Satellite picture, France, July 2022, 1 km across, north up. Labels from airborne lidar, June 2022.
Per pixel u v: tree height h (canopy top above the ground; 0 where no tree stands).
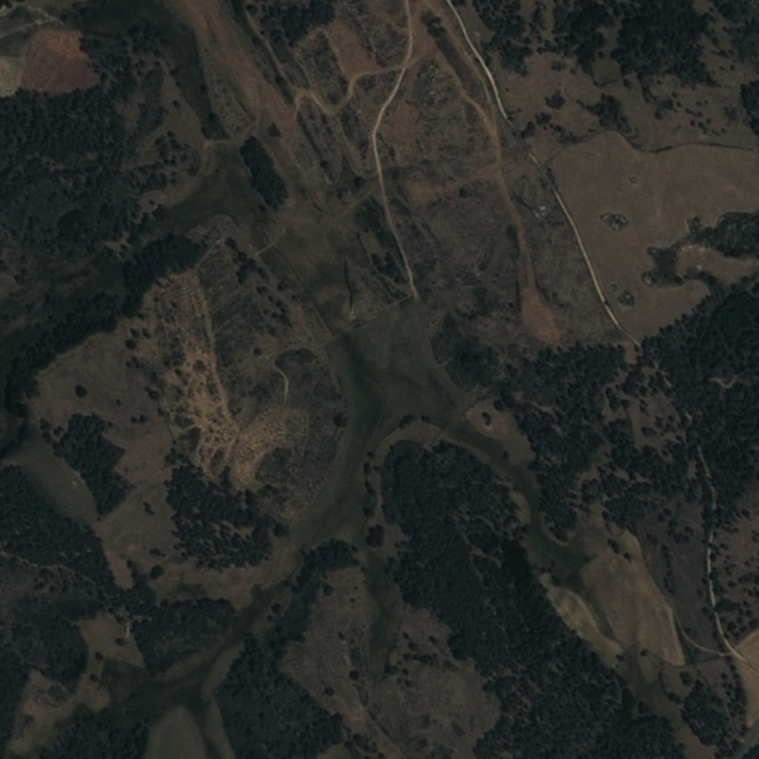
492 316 0
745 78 0
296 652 0
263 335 0
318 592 0
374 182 0
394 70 0
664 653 0
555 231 0
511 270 0
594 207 0
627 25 17
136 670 0
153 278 16
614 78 0
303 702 15
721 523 14
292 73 0
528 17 0
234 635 0
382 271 18
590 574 0
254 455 0
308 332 0
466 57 0
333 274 0
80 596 0
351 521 0
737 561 0
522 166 0
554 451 25
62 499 0
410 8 0
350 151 0
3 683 18
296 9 14
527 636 19
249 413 0
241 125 0
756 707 0
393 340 0
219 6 0
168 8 0
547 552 0
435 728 0
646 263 0
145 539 0
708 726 17
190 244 15
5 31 0
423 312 0
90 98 19
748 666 0
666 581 10
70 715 0
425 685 0
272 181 21
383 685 0
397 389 0
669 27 6
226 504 15
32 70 0
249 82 0
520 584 17
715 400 9
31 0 0
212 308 0
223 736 0
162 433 0
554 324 0
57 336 12
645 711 12
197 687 0
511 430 0
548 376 15
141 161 0
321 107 0
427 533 19
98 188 19
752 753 12
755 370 20
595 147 0
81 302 13
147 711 0
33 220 15
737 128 0
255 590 0
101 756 8
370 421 0
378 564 0
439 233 0
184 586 0
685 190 0
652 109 0
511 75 0
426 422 10
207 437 0
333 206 0
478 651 16
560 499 23
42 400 0
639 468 21
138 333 16
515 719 9
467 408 0
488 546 17
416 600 10
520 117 0
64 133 18
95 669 0
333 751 0
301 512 0
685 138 0
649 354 13
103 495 16
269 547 7
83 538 14
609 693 14
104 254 7
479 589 16
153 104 0
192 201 0
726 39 0
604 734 6
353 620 0
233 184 0
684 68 7
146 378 0
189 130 0
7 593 0
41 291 0
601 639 0
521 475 0
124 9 0
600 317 0
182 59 0
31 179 14
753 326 14
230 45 0
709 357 15
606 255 0
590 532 0
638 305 0
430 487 13
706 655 0
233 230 0
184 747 0
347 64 0
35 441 0
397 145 0
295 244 0
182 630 12
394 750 0
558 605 0
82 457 15
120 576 0
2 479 17
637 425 0
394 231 0
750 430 23
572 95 0
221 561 9
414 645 13
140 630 14
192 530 16
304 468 0
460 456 20
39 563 10
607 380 13
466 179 0
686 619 0
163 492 0
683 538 9
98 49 19
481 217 0
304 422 0
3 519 17
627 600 0
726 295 11
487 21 10
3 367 0
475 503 20
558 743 18
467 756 0
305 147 0
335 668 0
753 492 0
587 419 15
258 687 9
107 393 0
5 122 16
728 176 0
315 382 0
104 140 18
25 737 0
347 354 0
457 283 0
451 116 0
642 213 0
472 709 0
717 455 7
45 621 0
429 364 0
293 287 0
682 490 10
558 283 0
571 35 8
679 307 0
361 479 0
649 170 0
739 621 8
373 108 0
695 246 0
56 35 0
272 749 13
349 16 0
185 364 0
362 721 0
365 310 0
